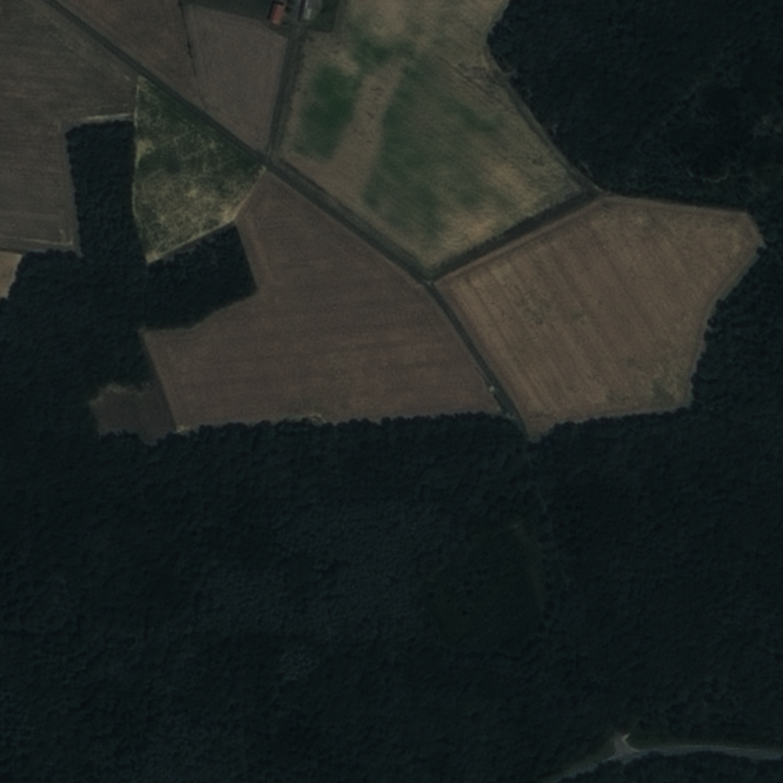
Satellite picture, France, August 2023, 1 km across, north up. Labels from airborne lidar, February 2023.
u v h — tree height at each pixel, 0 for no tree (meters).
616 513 11
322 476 17
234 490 17
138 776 23
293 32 0
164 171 0
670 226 0
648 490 19
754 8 16
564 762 23
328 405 0
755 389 22
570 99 17
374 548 22
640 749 0
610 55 15
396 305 0
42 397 16
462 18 0
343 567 24
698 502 18
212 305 15
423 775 24
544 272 0
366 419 0
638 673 21
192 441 11
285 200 0
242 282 16
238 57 0
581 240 0
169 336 0
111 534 16
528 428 0
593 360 0
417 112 0
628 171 20
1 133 0
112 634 14
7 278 0
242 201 0
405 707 23
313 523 22
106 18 0
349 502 11
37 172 0
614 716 23
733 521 20
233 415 0
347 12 0
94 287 16
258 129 0
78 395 21
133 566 14
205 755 8
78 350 15
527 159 0
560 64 18
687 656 18
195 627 21
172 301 19
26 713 21
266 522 13
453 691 18
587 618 19
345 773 16
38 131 0
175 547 15
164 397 0
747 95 22
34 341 15
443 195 0
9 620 17
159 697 18
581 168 11
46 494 17
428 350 0
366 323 0
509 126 0
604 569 11
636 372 0
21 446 18
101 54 0
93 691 15
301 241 0
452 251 0
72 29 0
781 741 8
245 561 17
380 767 22
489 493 14
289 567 21
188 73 0
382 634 20
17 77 0
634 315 0
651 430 18
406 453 14
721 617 16
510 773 14
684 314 0
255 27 0
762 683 19
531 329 0
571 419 0
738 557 15
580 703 23
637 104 15
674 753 0
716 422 17
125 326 19
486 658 13
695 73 12
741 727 8
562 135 18
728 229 0
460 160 0
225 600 23
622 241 0
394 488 11
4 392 17
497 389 0
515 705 22
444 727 24
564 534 11
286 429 9
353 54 0
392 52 0
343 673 11
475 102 0
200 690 20
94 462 21
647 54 13
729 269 0
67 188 0
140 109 0
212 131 0
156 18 0
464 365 0
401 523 22
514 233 0
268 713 7
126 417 0
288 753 7
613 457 23
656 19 16
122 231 15
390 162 0
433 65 0
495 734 26
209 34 0
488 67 0
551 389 0
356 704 20
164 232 0
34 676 16
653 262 0
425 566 13
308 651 15
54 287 18
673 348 0
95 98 0
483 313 0
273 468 20
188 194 0
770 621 14
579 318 0
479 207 0
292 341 0
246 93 0
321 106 0
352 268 0
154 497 16
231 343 0
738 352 8
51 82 0
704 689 25
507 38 21
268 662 18
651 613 15
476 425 12
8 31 0
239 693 21
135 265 16
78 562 20
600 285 0
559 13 16
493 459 20
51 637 16
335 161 0
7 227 0
